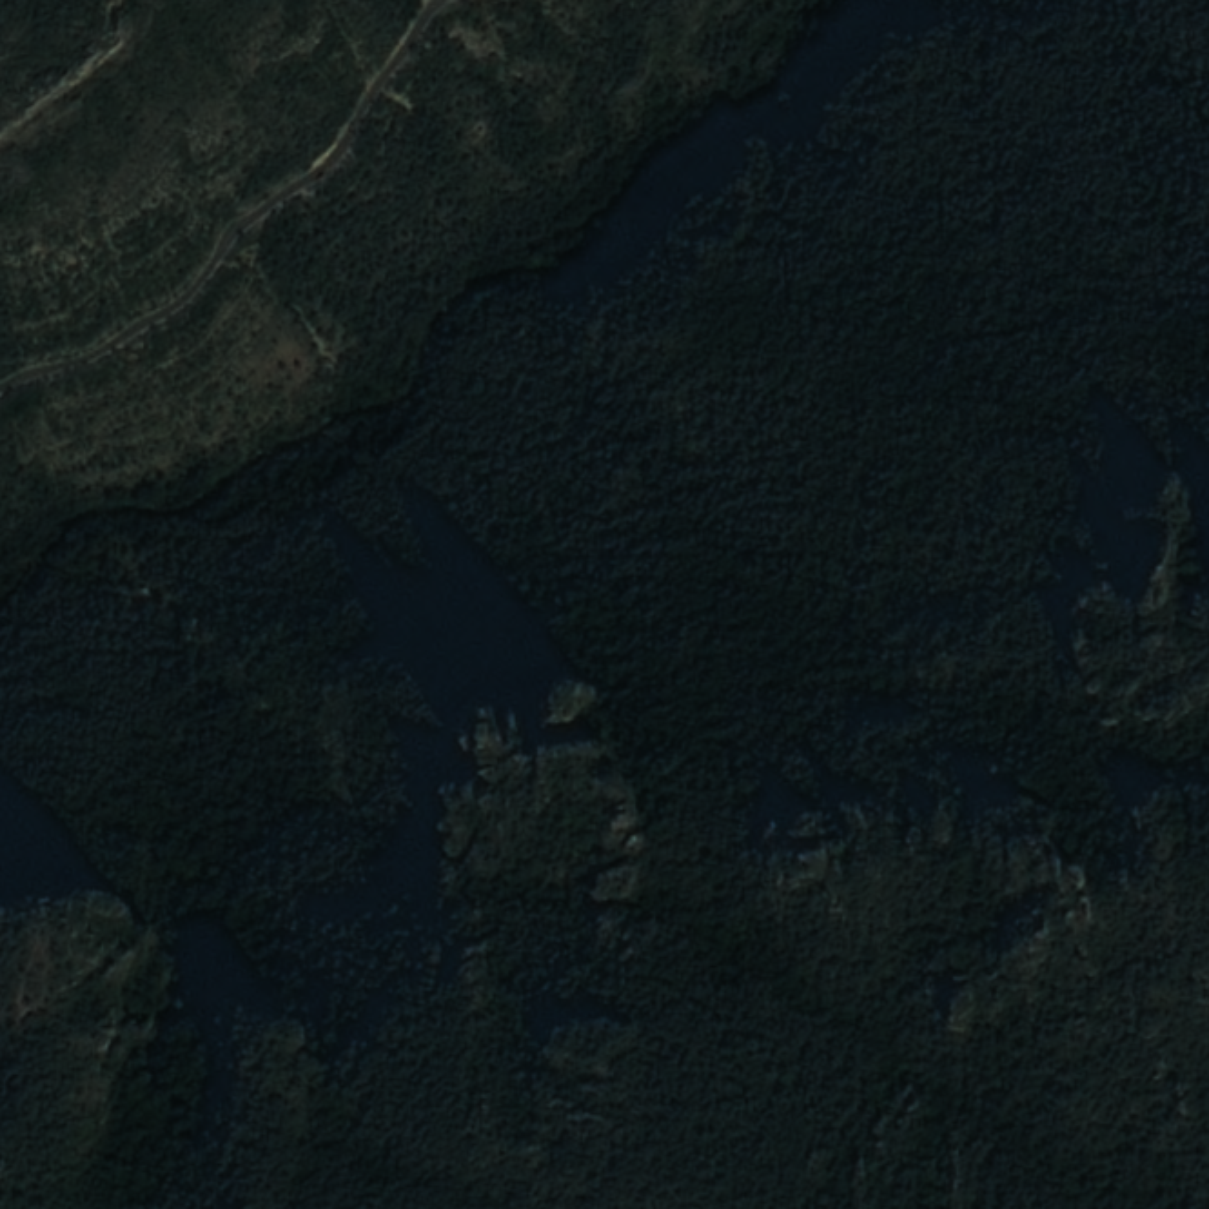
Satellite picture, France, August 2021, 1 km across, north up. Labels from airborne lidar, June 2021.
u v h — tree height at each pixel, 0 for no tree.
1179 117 16
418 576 9
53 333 6
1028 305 13
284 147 7
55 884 8
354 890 18
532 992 7
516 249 13
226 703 25
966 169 16
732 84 10
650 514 14
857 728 10
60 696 6
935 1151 12
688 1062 6
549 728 9
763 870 9
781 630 13
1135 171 16
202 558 6
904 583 7
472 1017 6
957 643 11
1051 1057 10
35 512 17
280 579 10
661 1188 7
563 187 10
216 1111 11
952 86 18
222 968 25
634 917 9
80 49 6
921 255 13
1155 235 15
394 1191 14
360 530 11
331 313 7
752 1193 7
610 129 11
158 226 7
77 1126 7
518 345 9
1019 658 13
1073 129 20
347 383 11
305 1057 42
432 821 11
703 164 12
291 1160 15
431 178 12
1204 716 9
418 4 12
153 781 16
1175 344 18
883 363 6
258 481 11
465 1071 6
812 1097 6
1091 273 11
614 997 7
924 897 12
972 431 6
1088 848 15
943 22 37
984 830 8
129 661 13
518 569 11
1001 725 16
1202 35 13
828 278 14
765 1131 10
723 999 10
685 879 17
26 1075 8
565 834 9
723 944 13
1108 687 14
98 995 7
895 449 7
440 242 12
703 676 12
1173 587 14
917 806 13
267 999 25
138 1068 29
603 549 7
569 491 14
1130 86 21
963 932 9
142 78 6
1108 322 16
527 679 13
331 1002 19
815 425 9
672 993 11
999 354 14
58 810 10
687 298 10
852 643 14
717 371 8
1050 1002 7
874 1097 8
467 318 16
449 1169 9
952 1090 11
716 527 17
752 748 11
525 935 8
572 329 10
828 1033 7
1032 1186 8
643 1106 7
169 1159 13
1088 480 13
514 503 12
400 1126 8
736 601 11
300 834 7
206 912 22
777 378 12
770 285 13
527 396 11
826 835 10
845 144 14
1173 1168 14
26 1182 10
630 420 21
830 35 19
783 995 13
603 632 13
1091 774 13
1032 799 36
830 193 11
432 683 12
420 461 12
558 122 7
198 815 23
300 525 11
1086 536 13
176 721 18
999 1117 12
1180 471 10
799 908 7
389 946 13
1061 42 20
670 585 14
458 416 13
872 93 8
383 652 16
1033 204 15
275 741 15
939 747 8
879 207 14
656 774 11
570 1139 10
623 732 25
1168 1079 8
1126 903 8
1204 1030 6
